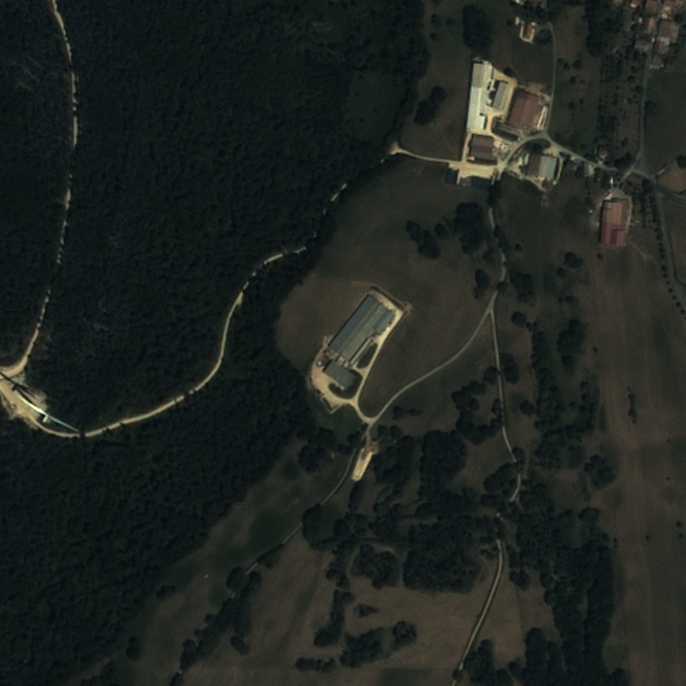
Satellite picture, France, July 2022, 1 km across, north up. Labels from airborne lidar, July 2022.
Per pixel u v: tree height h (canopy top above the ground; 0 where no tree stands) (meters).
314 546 8
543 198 0
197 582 0
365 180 22
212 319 23
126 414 27
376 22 7
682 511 0
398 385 0
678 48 6
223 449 17
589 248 0
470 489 14
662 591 0
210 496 21
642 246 0
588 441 0
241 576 17
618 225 0
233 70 20
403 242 0
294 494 0
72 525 15
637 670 0
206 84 23
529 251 0
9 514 22
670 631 0
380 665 0
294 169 22
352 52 21
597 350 7
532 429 0
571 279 0
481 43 28
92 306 22
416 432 0
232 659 0
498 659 0
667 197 0
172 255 24
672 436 0
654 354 0
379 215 0
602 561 19
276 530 0
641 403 0
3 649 23
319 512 14
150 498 23
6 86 20
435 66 0
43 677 22
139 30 18
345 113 15
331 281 0
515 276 18
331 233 25
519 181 0
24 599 24
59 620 25
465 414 17
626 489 0
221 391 19
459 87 0
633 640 0
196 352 20
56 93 22
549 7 6
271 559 9
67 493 24
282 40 18
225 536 0
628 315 0
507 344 0
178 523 24
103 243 21
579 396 0
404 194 0
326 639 8
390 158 13
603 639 19
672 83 0
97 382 17
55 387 24
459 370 0
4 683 22
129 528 18
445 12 0
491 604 0
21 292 19
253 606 0
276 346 20
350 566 0
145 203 22
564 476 0
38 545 21
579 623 25
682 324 0
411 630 8
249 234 20
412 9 23
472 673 15
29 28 21
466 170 0
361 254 0
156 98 22
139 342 13
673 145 0
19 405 0
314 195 27
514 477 9
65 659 30
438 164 0
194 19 26
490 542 16
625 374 0
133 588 20
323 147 23
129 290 27
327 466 0
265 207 18
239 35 18
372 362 0
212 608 0
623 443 0
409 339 0
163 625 0
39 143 17
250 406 19
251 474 27
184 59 23
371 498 0
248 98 13
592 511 12
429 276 0
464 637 0
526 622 0
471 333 0
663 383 0
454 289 0
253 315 29
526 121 0
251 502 0
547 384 23
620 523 0
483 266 0
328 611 0
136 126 24
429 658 0
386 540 19
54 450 20
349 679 0
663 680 0
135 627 0
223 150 8
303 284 17
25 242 18
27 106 21
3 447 19
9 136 17
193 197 23
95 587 21
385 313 0
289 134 20
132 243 24
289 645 0
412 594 0
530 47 0
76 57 16
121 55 15
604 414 0
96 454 21
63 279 21
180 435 23
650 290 0
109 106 23
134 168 25
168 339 24
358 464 0
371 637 8
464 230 25
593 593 17
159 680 0
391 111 0
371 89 0
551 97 0
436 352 0
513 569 11
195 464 19
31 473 19
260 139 22
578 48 0
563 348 15
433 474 21
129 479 22
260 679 0
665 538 0
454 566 13
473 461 0
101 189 25
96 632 23
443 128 0
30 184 24
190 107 22
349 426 0
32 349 0
